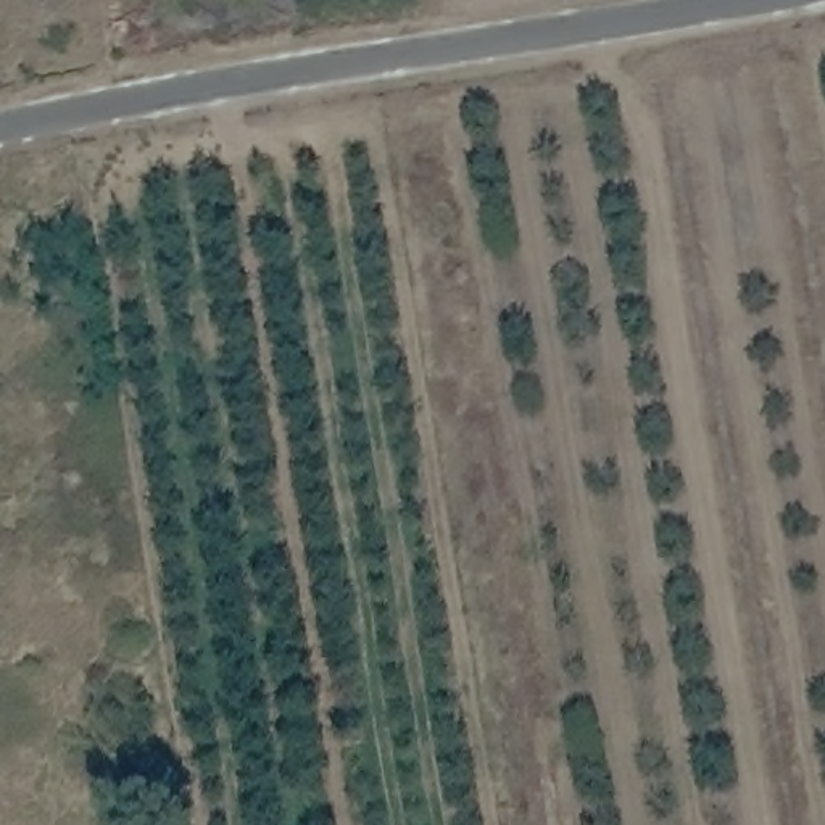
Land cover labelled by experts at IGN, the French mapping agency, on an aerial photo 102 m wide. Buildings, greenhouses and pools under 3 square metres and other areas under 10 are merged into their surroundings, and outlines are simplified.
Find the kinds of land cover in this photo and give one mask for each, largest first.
<instances>
[{"label":"herbaceous vegetation","instance_id":"1","mask_svg":"<svg viewBox=\"0 0 825 825\"><path fill-rule=\"evenodd\" d=\"M55 23H74V35L64 52H52L42 45V35ZM435 16H419L413 6L390 23L374 26L316 29L309 35L277 32L226 45L200 42L184 52H168L161 58L116 61L113 45H119L129 32L119 13V0H0V113L61 103L106 90L148 87L206 71L271 64L435 35ZM596 77L612 84L619 93V113L632 148L628 168L596 171L593 164L587 145V119L580 113L577 93L587 81ZM474 87L493 93V100L500 103V145L509 164V187L519 226V251L512 258H493L477 226V190L467 180L471 135L461 122V100ZM538 129H551L558 135V158H535L532 139L538 135ZM348 142L367 145L383 229L390 242V274L400 309L396 342L406 354L419 435L416 496L425 509V541L435 551L438 590L448 616V632L442 638H422L416 628L413 558L403 535L396 464L390 454L380 390L374 387L377 338L364 313L361 274L354 261V213L345 174ZM303 145H309L319 158V184L325 187L329 200L345 322L351 332L358 374V409L364 413L367 448L374 458V480L380 496L377 519L387 538L383 558L358 554V509L351 496L348 464L342 454L338 387L332 371L329 325L319 303V280L313 267L296 271L306 348L313 354L316 371V403L322 416L329 490L338 519L345 574L354 596L351 625L358 635V661L342 667L325 664L322 638L316 628V603L303 551L300 509L290 480V438L287 419L280 413V380L274 374V345L267 335L261 296V258L251 245V216L258 213L261 190L248 174V155L264 151L267 158H274V168L280 174L284 219L290 226V258L306 248V222L300 219L293 203L296 148ZM193 155H209L229 164L235 187V238L245 267V293L251 303L258 342V371L264 383L267 422L277 454V538L287 545L290 567L296 577V603L303 616L309 670L316 677V722L329 761L325 796L338 825H577L580 796L570 780L567 748L561 735V706L577 693H587L596 703V715L606 738V761L616 786V806L625 825H641L648 819V790L635 764L638 738H654L667 748L674 793L680 802V819L686 825H825V0H812L802 6L706 19L674 29L558 48L413 64L242 97H216L203 103H180L151 113L113 116L100 122L39 129L32 135L0 142V667L16 664L26 654H52V664H45L26 686L35 696V703L48 709V719L29 744L0 748V825H90L97 819V806L90 799V777L87 770L74 773L68 767L64 725H77L84 715V677L87 667L103 657L110 625L122 619H142L151 625L148 645L135 651V661L116 654L110 670L135 674L151 693L155 735L174 748L187 770L190 809L193 825H235L238 757L232 751L229 722L222 719L213 725L222 790L203 796V770L177 712V661L161 606V561L151 535L135 383H119V393L126 474L132 490L142 561L132 570L119 574L110 564L106 535L64 541L58 532H52V487H77L81 474L55 471L52 458L58 429L52 425L42 396L32 390V371L42 358L39 348L52 335L48 322L35 313L39 280L32 274V251L16 238V232L26 222L55 216L61 213V206H71L90 219V232H103L113 203H122L126 216L139 209L142 174L148 168H184ZM599 184H635L638 190V203L645 209L641 245L648 267L635 280H612V267L606 258V226L596 209ZM564 258H577L587 264L590 303L599 313V335L583 338L580 345H567L558 329V293L551 284V264ZM748 271H764L777 284V303L764 313H748L741 306L738 280ZM628 293L651 300L654 351L661 361V374L667 383V409L674 419L670 448H651L648 454L641 451L635 435V413L651 400L645 390H632L628 338L616 313V296ZM506 306L529 309L535 332V348L512 361L503 354L500 345V313ZM757 332H773L783 345L780 358L770 367H761L748 358V342ZM516 371H532L541 377L545 406L535 416L519 413L512 403ZM767 390L790 393V422L767 429ZM783 445H793L799 454V474L793 477H777L770 467L773 448ZM606 458H616L619 464V487L609 493H593L583 480V461L599 464ZM651 461H674L680 467L683 490L674 500H651L645 477ZM786 503H802L806 512L819 519V529L812 535H783L780 512ZM661 512H680L693 525V541L680 551H670L667 558L657 554L654 541V522ZM677 564H693L703 583V625L712 641V677L725 696V732L732 735L738 767V783L732 790H699L690 764V732L680 709V670L674 664L670 625L664 612V577ZM619 596H635L641 638L648 641L654 657V670L648 677H635L625 670L619 622L612 609ZM335 706H354V709H364V719H361V722H358L354 728H348V732H335V728H332V709H335ZM103 274L110 284V329L122 325V300L145 303L151 329L168 322L158 290V261L135 255L103 261ZM187 313L193 319V335L209 358H216L219 332L209 319V293L193 290L187 293Z\"/></svg>","mask_w":825,"mask_h":825},{"label":"deciduous trees","instance_id":"2","mask_svg":"<svg viewBox=\"0 0 825 825\"><path fill-rule=\"evenodd\" d=\"M580 113L587 119V145L593 164L596 171L628 168L632 148L619 113V93L612 84L596 77L587 81L577 93ZM461 122L471 135L467 180L477 190V226L493 258H512L519 251V226L509 187V164L500 145V103L493 100V93L474 87L461 100ZM535 158H558V135L551 129H538V135L532 139ZM345 174L354 213V261L361 274L364 313L377 338L374 387L380 390L390 454L396 464L403 535L413 558L416 628L422 638H442L448 632V616L438 590L435 551L425 541V509L416 496L419 435L406 354L396 342L400 309L390 274V242L383 229L367 145L348 142ZM248 174L261 190L258 213L251 216V245L261 258V296L267 335L274 345V374L280 380V413L287 419L290 438V480L300 509L303 551L316 603V628L322 638L325 664L342 667L358 661V635L351 625L354 596L345 574L338 519L329 490L322 416L316 403V371L313 354L306 348L296 271L313 267L319 280V303L329 325L332 371L338 387L342 454L348 464L351 496L358 509V554L383 558L387 538L377 519L380 496L374 480V458L367 448L364 413L358 409V374L351 332L345 322L329 200L325 187L319 184V158L309 145H303L296 148L293 203L300 219L306 222V248L290 258V226L284 219L280 174L274 168V158H267L264 151L248 155ZM16 238L32 251V274L39 280L35 313L48 322L52 335L61 342V348L77 364V374L87 380L81 400H103L119 393V383H135L151 535L161 561V606L177 661V712L203 770V796L222 790L213 725L222 719L229 722L232 751L238 757L235 825H338L325 796L329 761L316 722V677L309 670L303 616L296 603V577L290 567L287 545L277 538V454L267 422L264 383L258 371V342L251 303L245 293V267L235 238V187L229 164L209 155H193L184 168H148L142 174L139 209L126 216L122 203H113L103 232H90V219L71 206H61V213L55 216L26 222L16 232ZM135 255L158 261V290L168 322L151 329L145 303L122 300V325L110 329V284L103 274V261ZM193 290L209 293V319L219 332L216 358H209L193 335V319L187 313V293ZM596 209L606 226V258L612 267V280H635L648 267L641 245L645 209L638 203V190L635 184H599ZM551 284L558 293V329L567 345H580L583 338L599 335V313L590 303L587 264L577 258H564L551 264ZM741 306L748 313H764L777 303V284L764 271H748L738 280ZM616 313L628 338L632 390H645L651 400L635 413V435L641 451L648 454L651 448H670L674 419L667 409V383L661 374V361L654 351L651 300L628 293L616 296ZM500 345L503 354L512 361L535 348V332L529 309L506 306L500 313ZM783 345L773 332H757L748 342V358L761 367H770L780 358ZM512 403L519 413L535 416L545 406L541 377L532 371H516ZM767 429L790 422V393L767 390ZM770 467L777 477H793L799 474V454L793 445H783L773 448ZM583 480L593 493H609L619 487V464L616 458H606L599 464L583 461ZM645 477L651 500H674L683 490L680 467L674 461H651ZM783 535H812L819 529V519L806 512L802 503H786L780 512ZM654 541L657 554L667 558L670 551H680L693 541V525L680 512H661L654 522ZM664 612L670 625L674 664L680 670V709L690 732V764L699 790H732L738 783V767L732 735L725 732V696L712 677V641L703 625V583L693 564H677L664 577ZM612 609L619 622L625 670L635 677H648L654 670V657L648 641L641 638L635 596H619ZM561 735L567 748L570 780L580 796L577 825H625L616 806V786L606 761V738L596 715V703L587 693H577L561 706ZM361 719H364V709H354V706H335V709H332V728H335V732H348V728H354L358 722H361ZM635 764L648 790V819L641 825H686L680 819V802L674 793L667 748L654 738H638ZM90 799L97 806V819L90 825H193L190 809L180 806V796H174L171 786H164L161 780L90 777Z\"/></svg>","mask_w":825,"mask_h":825},{"label":"brushwood","instance_id":"3","mask_svg":"<svg viewBox=\"0 0 825 825\"><path fill-rule=\"evenodd\" d=\"M416 0H119V13L129 32L119 45H113L116 61L161 58L168 52H184L200 42L226 45L277 32L309 35L316 29L374 26L390 23L413 6ZM74 35V23H55L42 35V45L52 52H64ZM42 358L32 371V390L42 396L52 425L58 429L52 458L55 471L81 474L77 487H52V532H58L64 541L106 535L110 564L119 574L132 570L142 561L132 490L126 474L119 393L103 400H81L87 380L77 374V364L61 348V342L52 335L39 348ZM151 625L142 619H122L110 625L103 657L87 667L84 677V715L77 725H64L68 767L74 773L87 770L90 777L161 780L164 786H171L174 796H180V806L190 809L187 770L174 748L155 735L151 693L135 674L110 670L116 654L135 661V651L148 645ZM45 664H52V654H26L16 664L0 667V748L29 744L48 719V709L35 703V696L26 686Z\"/></svg>","mask_w":825,"mask_h":825},{"label":"impervious surface","instance_id":"4","mask_svg":"<svg viewBox=\"0 0 825 825\"><path fill-rule=\"evenodd\" d=\"M812 0H654L638 6L590 10L577 16L435 35L271 64L206 71L148 87L106 90L61 103L0 113V142L32 135L39 129L100 122L113 116L151 113L180 103H203L216 97H242L413 64L558 48L674 29L706 19L802 6Z\"/></svg>","mask_w":825,"mask_h":825},{"label":"agricultural land","instance_id":"5","mask_svg":"<svg viewBox=\"0 0 825 825\"><path fill-rule=\"evenodd\" d=\"M654 0H416L413 6L419 16H435V35L577 16L590 10L638 6Z\"/></svg>","mask_w":825,"mask_h":825}]
</instances>
